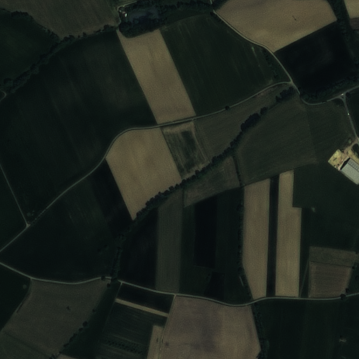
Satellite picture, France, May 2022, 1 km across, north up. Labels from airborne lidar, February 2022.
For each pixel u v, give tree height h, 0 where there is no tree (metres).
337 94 0
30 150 0
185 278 0
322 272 0
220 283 0
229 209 0
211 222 0
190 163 0
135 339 0
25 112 0
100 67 0
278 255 0
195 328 0
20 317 0
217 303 0
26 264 0
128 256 0
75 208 0
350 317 0
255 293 0
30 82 0
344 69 0
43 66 0
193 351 0
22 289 0
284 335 0
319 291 0
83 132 0
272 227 0
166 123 0
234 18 0
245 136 0
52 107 0
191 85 0
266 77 0
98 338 0
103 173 0
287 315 0
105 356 0
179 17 0
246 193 0
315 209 0
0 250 0
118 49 0
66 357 0
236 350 0
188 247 0
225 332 0
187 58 0
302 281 0
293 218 0
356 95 0
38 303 0
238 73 0
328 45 0
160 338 0
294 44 0
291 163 0
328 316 0
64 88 0
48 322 0
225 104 0
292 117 0
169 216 0
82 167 0
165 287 0
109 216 0
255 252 0
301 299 0
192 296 0
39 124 0
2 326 0
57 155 0
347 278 0
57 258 0
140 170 0
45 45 0
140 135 0
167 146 0
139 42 0
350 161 0
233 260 0
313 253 0
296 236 0
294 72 0
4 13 0
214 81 0
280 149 0
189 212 0
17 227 0
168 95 0
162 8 15
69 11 0
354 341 0
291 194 0
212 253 0
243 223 0
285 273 0
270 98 0
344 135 0
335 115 0
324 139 0
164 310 0
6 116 0
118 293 0
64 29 0
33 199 0
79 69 0
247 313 0
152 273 0
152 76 0
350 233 0
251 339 0
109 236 0
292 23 0
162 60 0
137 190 0
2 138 0
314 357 0
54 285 0
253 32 0
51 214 0
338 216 0
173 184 0
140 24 24
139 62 0
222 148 0
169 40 0
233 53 0
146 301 0
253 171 0
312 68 0
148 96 0
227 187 0
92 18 0
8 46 0
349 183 0
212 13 8
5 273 0
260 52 0
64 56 0
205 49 0
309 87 0
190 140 0
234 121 0
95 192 0
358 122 0
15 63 0
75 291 0
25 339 0
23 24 0
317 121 0
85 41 0
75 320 0
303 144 0
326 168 0
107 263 0
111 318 0
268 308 0
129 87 0
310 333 0
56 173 0
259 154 0
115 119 0
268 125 0
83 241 0
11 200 0
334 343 0
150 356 0
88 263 0
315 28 0
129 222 0
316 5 0
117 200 0
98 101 0
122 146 0
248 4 0
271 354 0
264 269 0
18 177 0
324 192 0
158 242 0
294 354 0
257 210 0
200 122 0
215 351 0
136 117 0
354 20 0
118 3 0
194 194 0
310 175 0
